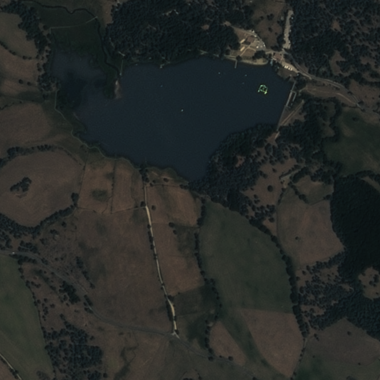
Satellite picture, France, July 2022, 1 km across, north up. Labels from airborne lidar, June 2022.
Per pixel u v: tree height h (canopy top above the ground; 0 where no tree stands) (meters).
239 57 15
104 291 0
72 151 0
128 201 0
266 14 0
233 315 0
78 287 0
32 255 0
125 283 0
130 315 0
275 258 0
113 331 0
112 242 0
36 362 0
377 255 22
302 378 0
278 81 0
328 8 12
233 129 0
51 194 0
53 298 0
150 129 0
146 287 0
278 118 0
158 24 18
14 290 0
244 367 0
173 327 0
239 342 0
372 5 15
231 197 21
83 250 0
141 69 0
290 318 0
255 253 0
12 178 0
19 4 11
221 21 22
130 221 0
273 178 0
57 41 0
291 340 0
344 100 0
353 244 19
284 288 0
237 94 0
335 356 0
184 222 0
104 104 0
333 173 12
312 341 0
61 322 0
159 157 0
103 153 0
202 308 0
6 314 0
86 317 0
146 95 0
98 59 0
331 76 10
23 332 0
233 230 0
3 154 0
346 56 17
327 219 0
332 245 0
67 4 0
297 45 17
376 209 24
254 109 0
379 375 0
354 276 30
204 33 24
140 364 0
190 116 0
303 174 16
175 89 0
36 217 0
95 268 0
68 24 0
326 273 0
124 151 0
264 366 0
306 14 22
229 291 0
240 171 22
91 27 0
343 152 0
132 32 16
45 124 0
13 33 0
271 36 0
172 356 0
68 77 0
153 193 0
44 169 0
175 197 0
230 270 0
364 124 0
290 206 0
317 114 8
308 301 14
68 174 0
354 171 0
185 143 0
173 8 19
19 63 0
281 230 0
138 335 0
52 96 0
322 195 0
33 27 11
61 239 0
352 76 16
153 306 0
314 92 0
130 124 0
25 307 0
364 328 23
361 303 28
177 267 0
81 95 0
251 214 0
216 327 0
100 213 0
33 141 0
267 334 0
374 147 0
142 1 9
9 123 0
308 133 17
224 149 15
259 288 0
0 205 0
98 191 0
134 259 0
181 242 0
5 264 0
